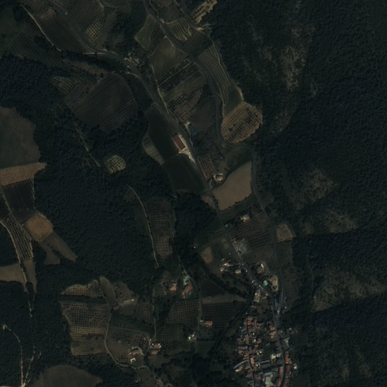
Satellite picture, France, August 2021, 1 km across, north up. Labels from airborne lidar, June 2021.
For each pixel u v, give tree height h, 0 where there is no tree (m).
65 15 0
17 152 0
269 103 6
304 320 9
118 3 0
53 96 19
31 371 8
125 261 13
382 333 10
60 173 15
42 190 13
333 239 9
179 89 0
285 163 6
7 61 14
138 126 14
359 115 9
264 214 0
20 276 0
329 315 9
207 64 0
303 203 7
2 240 11
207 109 0
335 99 12
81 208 14
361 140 10
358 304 6
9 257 12
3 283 12
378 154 10
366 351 8
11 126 0
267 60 6
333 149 7
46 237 0
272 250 0
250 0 6
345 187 9
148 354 7
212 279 9
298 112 9
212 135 0
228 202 0
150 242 13
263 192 6
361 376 7
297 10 8
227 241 0
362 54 7
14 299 13
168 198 14
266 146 11
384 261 7
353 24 9
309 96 10
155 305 6
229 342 13
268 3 8
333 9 8
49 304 15
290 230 0
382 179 8
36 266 7
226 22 6
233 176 0
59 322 14
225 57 11
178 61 0
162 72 0
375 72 8
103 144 11
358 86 7
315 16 13
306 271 9
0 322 12
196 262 15
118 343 0
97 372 13
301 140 10
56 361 8
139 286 10
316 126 8
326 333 6
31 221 0
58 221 15
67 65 6
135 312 9
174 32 0
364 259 8
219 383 19
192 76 0
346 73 6
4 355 8
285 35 6
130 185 8
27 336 11
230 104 0
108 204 14
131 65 0
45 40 14
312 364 7
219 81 0
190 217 19
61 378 0
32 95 14
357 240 6
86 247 14
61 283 14
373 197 8
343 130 11
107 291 0
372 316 13
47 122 11
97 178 13
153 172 9
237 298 0
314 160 6
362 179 10
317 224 7
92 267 15
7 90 12
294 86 6
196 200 29
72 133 8
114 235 13
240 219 9
